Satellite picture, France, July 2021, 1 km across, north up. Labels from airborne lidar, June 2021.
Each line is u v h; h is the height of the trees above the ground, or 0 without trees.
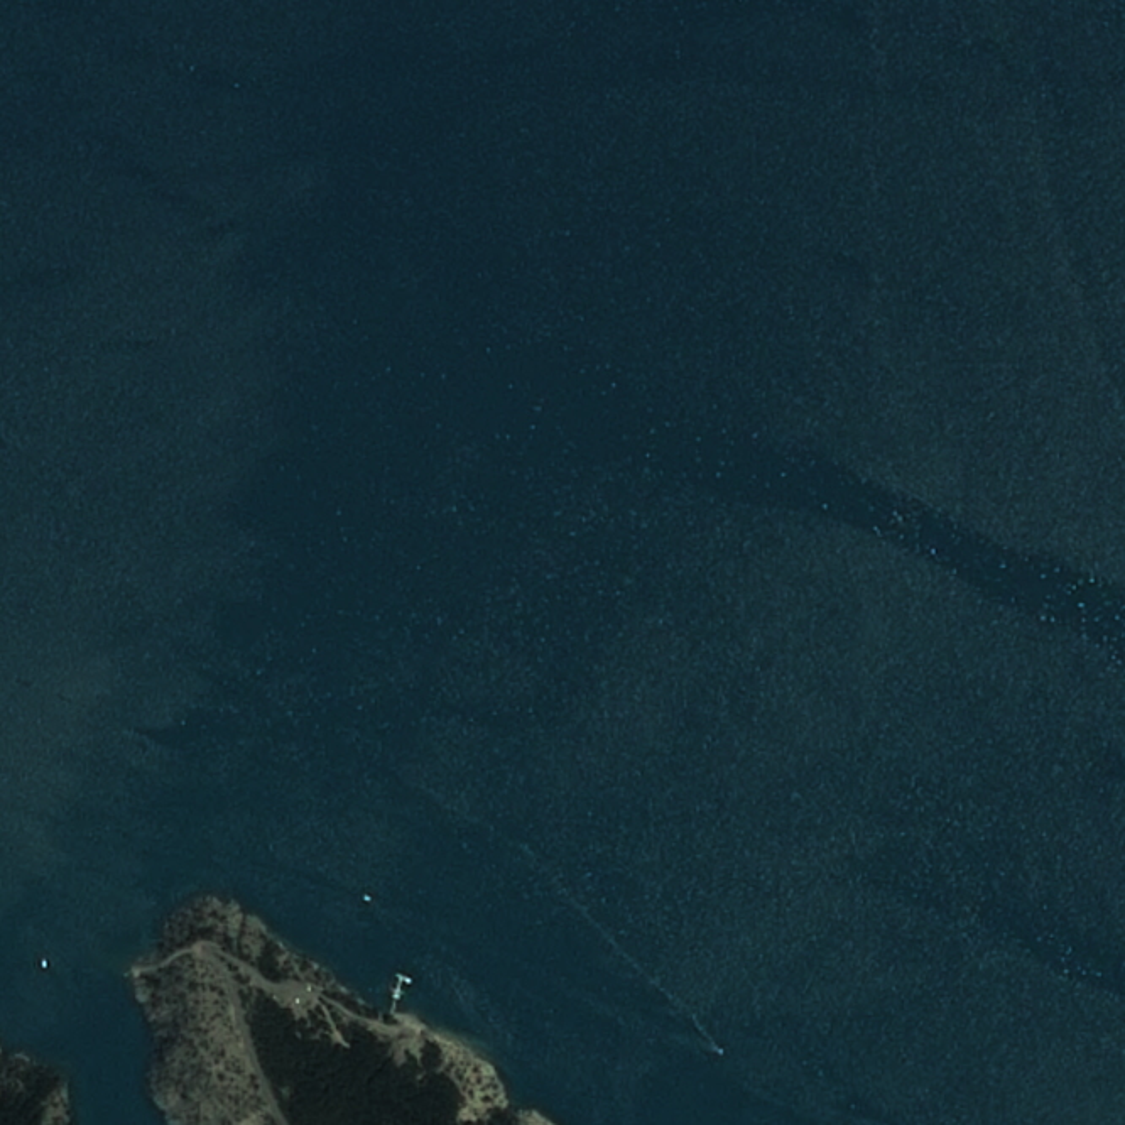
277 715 0
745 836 0
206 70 0
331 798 0
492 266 0
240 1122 0
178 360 0
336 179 0
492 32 0
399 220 0
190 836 0
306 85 0
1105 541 0
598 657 0
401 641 0
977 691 0
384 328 0
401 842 0
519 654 0
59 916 0
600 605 0
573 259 0
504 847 0
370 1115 9
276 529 0
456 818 0
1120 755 0
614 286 0
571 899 0
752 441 0
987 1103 0
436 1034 0
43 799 0
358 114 0
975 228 0
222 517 0
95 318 0
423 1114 6
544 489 0
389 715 0
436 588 0
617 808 0
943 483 0
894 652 0
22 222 0
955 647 0
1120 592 0
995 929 0
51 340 0
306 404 0
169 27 0
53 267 0
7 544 0
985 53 0
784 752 0
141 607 0
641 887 0
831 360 0
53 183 0
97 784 0
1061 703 0
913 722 0
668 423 0
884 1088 0
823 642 0
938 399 0
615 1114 0
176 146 0
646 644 0
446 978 0
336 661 0
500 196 0
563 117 0
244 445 0
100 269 0
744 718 0
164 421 0
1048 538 0
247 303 0
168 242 0
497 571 0
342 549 0
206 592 0
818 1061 0
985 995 0
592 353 0
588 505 0
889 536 0
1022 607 0
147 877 0
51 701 0
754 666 0
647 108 0
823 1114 0
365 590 0
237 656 0
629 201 0
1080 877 0
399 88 0
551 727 0
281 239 0
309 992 0
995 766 0
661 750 0
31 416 0
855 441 0
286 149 0
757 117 0
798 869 0
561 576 0
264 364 0
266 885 0
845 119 0
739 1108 0
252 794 0
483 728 0
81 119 0
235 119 0
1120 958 0
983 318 0
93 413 0
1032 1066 0
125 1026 0
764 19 0
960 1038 0
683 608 0
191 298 0
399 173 0
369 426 0
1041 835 0
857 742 0
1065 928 0
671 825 0
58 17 0
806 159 0
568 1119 0
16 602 0
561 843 0
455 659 0
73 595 0
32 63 0
